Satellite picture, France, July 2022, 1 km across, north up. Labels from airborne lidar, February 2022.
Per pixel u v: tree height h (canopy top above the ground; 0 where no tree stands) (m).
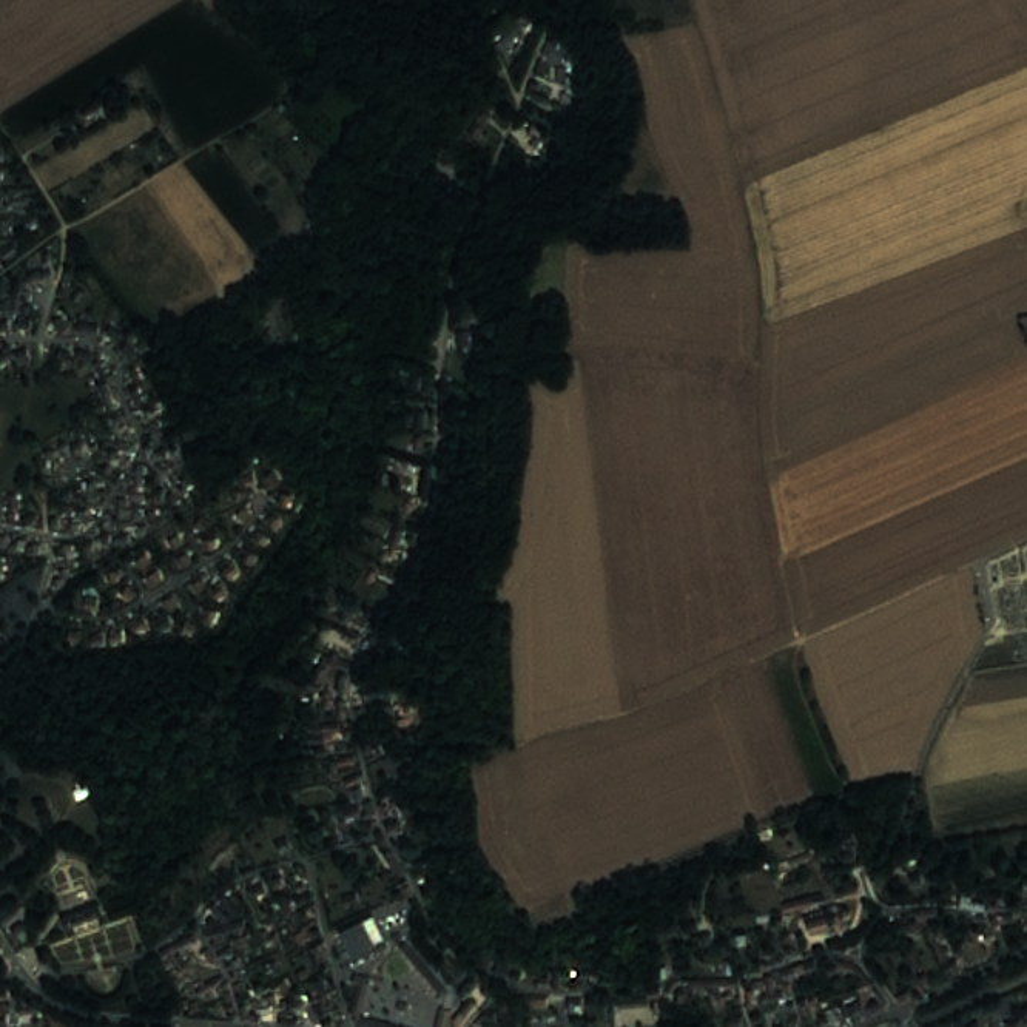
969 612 0
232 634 18
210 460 18
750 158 0
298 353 23
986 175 0
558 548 0
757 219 0
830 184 0
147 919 15
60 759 16
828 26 0
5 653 16
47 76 0
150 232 0
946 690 0
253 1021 0
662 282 0
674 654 0
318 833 19
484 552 20
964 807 0
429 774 16
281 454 21
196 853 21
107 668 15
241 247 0
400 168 22
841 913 0
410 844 18
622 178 16
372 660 9
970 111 0
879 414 0
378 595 0
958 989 8
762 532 0
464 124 0
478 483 19
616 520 0
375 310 20
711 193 0
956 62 0
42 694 15
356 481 19
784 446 0
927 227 0
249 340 14
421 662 17
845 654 0
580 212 17
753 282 0
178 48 0
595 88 23
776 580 0
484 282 21
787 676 0
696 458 0
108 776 13
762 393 0
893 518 0
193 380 21
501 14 13
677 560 0
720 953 13
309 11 12
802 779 0
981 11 0
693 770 0
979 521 0
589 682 0
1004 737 0
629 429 0
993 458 0
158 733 25
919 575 0
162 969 8
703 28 0
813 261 0
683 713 0
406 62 10
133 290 0
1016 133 0
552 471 0
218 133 0
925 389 0
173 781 21
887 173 0
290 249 20
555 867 0
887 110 0
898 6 0
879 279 0
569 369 15
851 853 0
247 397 17
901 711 0
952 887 22
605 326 0
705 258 0
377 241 15
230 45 0
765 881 0
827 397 0
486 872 12
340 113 0
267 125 0
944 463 0
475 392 9
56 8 0
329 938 0
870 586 0
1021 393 0
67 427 7
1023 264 0
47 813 13
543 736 0
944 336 0
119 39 0
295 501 0
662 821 0
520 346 14
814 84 0
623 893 18
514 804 0
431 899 5
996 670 0
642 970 18
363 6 19
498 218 21
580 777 0
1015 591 0
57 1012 13
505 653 15
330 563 10
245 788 17
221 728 23
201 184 0
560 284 0
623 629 0
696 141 0
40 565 7
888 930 21
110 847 20
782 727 0
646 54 0
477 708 19
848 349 0
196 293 0
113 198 0
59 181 0
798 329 0
